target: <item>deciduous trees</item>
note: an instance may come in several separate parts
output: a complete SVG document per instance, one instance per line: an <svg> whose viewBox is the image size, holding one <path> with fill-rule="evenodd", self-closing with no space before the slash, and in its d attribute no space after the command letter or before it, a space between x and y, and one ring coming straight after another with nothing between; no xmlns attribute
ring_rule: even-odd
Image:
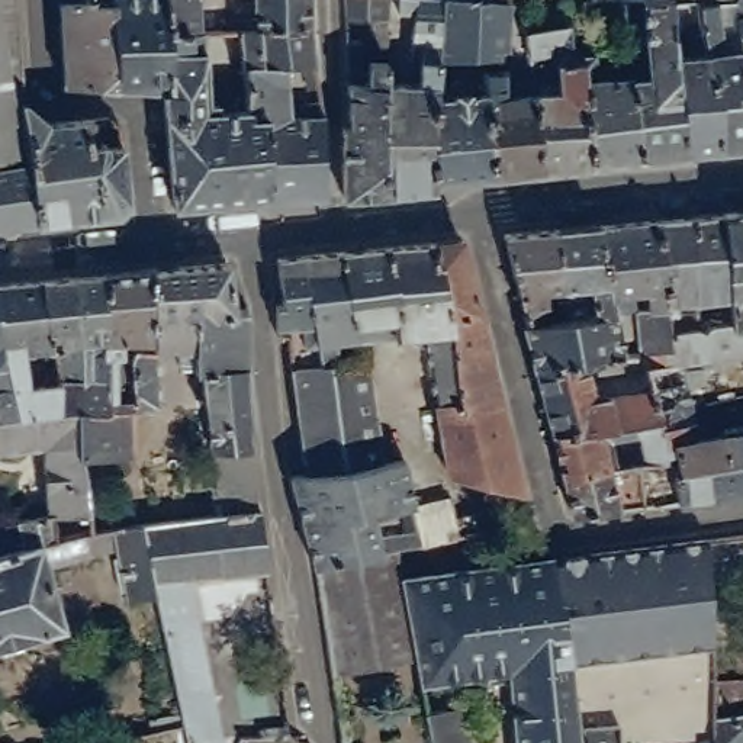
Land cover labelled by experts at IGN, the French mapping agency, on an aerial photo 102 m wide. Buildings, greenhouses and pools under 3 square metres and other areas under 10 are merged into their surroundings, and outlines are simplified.
<svg viewBox="0 0 743 743"><path fill-rule="evenodd" d="M70 639L55 644L52 659L70 679L90 679L96 688L104 691L110 679L122 673L131 662L128 644L134 641L128 621L110 630L84 630L81 636L70 633Z"/></svg>
<svg viewBox="0 0 743 743"><path fill-rule="evenodd" d="M102 702L102 708L67 717L52 728L41 728L41 737L0 737L0 743L142 743L142 737L134 737L128 731L136 717L113 714L110 697Z"/></svg>
<svg viewBox="0 0 743 743"><path fill-rule="evenodd" d="M734 569L723 589L723 598L717 601L720 621L726 624L726 647L743 653L743 569Z"/></svg>
<svg viewBox="0 0 743 743"><path fill-rule="evenodd" d="M572 41L583 38L592 46L592 55L601 61L621 67L639 58L636 26L604 26L604 20L589 20L572 0L563 0L560 12L572 23L566 29Z"/></svg>
<svg viewBox="0 0 743 743"><path fill-rule="evenodd" d="M374 351L369 348L357 348L357 357L345 360L331 372L331 380L351 386L372 377Z"/></svg>
<svg viewBox="0 0 743 743"><path fill-rule="evenodd" d="M212 493L218 488L215 461L212 459L192 467L171 459L171 485L165 493L168 499L183 499L189 493Z"/></svg>
<svg viewBox="0 0 743 743"><path fill-rule="evenodd" d="M534 508L528 502L505 499L505 549L476 554L476 566L482 566L485 572L505 572L508 566L520 563L522 554L546 551L549 531L540 520L534 520Z"/></svg>
<svg viewBox="0 0 743 743"><path fill-rule="evenodd" d="M136 508L136 496L131 493L122 476L110 479L104 490L93 493L96 520L119 522L131 517Z"/></svg>
<svg viewBox="0 0 743 743"><path fill-rule="evenodd" d="M459 699L450 702L450 708L459 717L459 726L464 728L467 743L499 743L505 708L499 705L499 694L479 688L464 691Z"/></svg>
<svg viewBox="0 0 743 743"><path fill-rule="evenodd" d="M238 682L250 694L276 699L279 694L284 694L284 682L290 679L290 659L284 644L255 644L253 639L241 636L232 641L232 665Z"/></svg>

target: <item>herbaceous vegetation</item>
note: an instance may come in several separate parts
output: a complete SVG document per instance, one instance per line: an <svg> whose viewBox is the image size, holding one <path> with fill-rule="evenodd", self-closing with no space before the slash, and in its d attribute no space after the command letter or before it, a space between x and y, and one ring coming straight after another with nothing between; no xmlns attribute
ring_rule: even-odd
<svg viewBox="0 0 743 743"><path fill-rule="evenodd" d="M90 467L93 493L104 490L110 479L122 476L131 493L136 496L136 508L131 517L119 522L96 520L96 531L107 534L119 528L142 528L151 522L209 517L215 502L212 493L189 493L183 499L168 499L165 493L171 485L171 459L192 467L212 459L209 412L197 409L186 418L177 418L171 409L157 406L148 415L131 415L134 456L128 470L122 470L119 464Z"/></svg>
<svg viewBox="0 0 743 743"><path fill-rule="evenodd" d="M717 653L708 659L708 676L717 676L720 682L743 682L743 653L726 647L726 624L720 621L714 627Z"/></svg>
<svg viewBox="0 0 743 743"><path fill-rule="evenodd" d="M412 697L412 685L418 685L418 670L409 673L409 668L398 668L395 673L366 673L357 676L357 682L342 679L334 685L334 694L354 691L360 708L383 708L386 688L401 685L403 694Z"/></svg>
<svg viewBox="0 0 743 743"><path fill-rule="evenodd" d="M180 711L171 714L168 708L163 708L157 714L142 714L142 665L131 662L122 673L110 679L104 691L96 688L90 679L70 679L52 659L55 644L46 650L23 650L9 662L0 659L0 737L41 737L41 728L52 728L67 717L102 708L102 702L110 697L113 714L136 717L128 731L134 737L142 737L142 743L192 743L192 734L183 726Z"/></svg>
<svg viewBox="0 0 743 743"><path fill-rule="evenodd" d="M46 520L46 496L38 490L23 490L17 496L23 522Z"/></svg>
<svg viewBox="0 0 743 743"><path fill-rule="evenodd" d="M134 641L142 641L145 630L154 630L163 621L157 598L148 604L134 604L128 592L119 592L116 578L110 578L107 554L81 554L61 566L49 563L52 589L64 595L70 633L81 636L84 630L110 630L128 621Z"/></svg>

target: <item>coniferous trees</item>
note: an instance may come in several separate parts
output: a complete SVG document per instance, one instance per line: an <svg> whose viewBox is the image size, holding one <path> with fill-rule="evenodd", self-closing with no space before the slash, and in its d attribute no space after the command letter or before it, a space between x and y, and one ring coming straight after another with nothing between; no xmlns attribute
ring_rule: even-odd
<svg viewBox="0 0 743 743"><path fill-rule="evenodd" d="M401 685L386 688L383 708L360 708L354 691L334 694L342 743L432 743L432 694L424 694L418 685L412 685L412 697L403 694Z"/></svg>
<svg viewBox="0 0 743 743"><path fill-rule="evenodd" d="M0 485L0 528L17 531L23 522L17 496L23 490Z"/></svg>

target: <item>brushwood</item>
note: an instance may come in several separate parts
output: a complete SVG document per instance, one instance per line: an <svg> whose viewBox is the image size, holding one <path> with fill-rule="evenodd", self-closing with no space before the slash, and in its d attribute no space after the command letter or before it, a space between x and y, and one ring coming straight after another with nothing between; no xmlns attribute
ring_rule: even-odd
<svg viewBox="0 0 743 743"><path fill-rule="evenodd" d="M157 714L163 708L168 708L171 714L180 711L163 621L154 630L145 630L142 641L134 641L128 644L131 662L142 665L142 714Z"/></svg>

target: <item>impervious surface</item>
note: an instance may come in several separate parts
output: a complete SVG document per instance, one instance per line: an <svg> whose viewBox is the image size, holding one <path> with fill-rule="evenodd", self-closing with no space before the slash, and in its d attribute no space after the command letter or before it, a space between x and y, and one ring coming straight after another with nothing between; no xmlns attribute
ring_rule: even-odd
<svg viewBox="0 0 743 743"><path fill-rule="evenodd" d="M319 575L311 575L311 537L305 537L302 505L293 493L293 479L302 479L308 467L302 464L305 450L299 441L293 372L331 372L345 360L357 357L357 348L342 348L334 357L290 354L290 331L279 328L279 308L284 302L279 287L282 258L366 253L380 247L415 244L459 244L464 255L473 255L502 372L508 380L514 424L531 485L528 502L534 508L534 520L540 520L549 531L546 551L549 560L589 563L612 551L636 554L639 549L679 554L688 551L697 540L717 537L723 549L717 549L714 554L714 583L723 589L734 569L743 569L743 505L734 511L723 511L711 502L708 508L697 508L694 514L676 511L668 517L633 517L630 522L618 520L607 525L595 522L592 508L583 517L578 517L572 505L578 502L578 493L566 490L560 444L578 438L578 427L560 432L549 430L549 421L569 415L575 406L569 395L540 395L540 386L554 383L563 369L560 360L549 360L540 374L534 374L534 351L525 337L528 313L522 311L520 282L508 264L505 235L583 232L615 223L685 221L743 212L743 160L705 163L697 168L694 180L627 180L621 186L601 189L583 189L575 180L563 180L502 189L493 171L485 180L470 183L453 183L438 177L432 180L432 197L427 203L377 209L319 209L313 215L279 221L273 221L258 206L241 206L241 200L235 200L235 215L223 209L223 203L215 203L215 209L206 203L189 206L186 197L174 200L165 194L163 180L171 171L168 131L165 107L157 99L148 99L145 104L139 99L104 102L102 96L81 96L64 90L64 0L23 0L29 6L32 70L26 70L26 81L17 87L17 102L32 107L49 125L93 119L99 131L84 131L84 142L90 148L122 148L122 157L136 171L136 218L119 226L113 244L102 247L90 247L87 238L78 232L29 235L15 241L0 238L0 284L84 279L104 273L116 273L119 279L142 279L148 270L163 273L223 261L226 279L221 284L218 299L238 299L238 311L255 319L255 331L250 334L253 360L247 363L253 456L215 461L218 488L212 493L215 502L209 517L244 517L261 511L264 525L276 517L284 528L293 522L293 528L284 534L293 578L282 575L279 566L273 583L261 580L258 592L244 598L232 615L215 621L206 636L212 685L221 697L221 726L232 737L232 743L342 743L334 694L334 685L325 615L319 601ZM250 694L238 682L232 665L232 641L241 636L253 639L255 644L284 644L290 659L290 679L284 682L284 694L279 694L276 699Z"/></svg>
<svg viewBox="0 0 743 743"><path fill-rule="evenodd" d="M644 467L641 444L621 444L615 447L615 459L621 470Z"/></svg>
<svg viewBox="0 0 743 743"><path fill-rule="evenodd" d="M395 438L401 459L409 467L412 485L421 488L418 502L430 505L444 499L456 508L461 531L459 543L403 554L398 563L398 578L470 572L476 566L476 554L505 549L505 499L479 490L461 490L453 482L453 476L438 464L444 447L432 441L432 430L441 424L441 415L438 398L432 392L435 377L421 377L421 348L403 342L372 342L369 348L374 351L372 377L377 418L386 424L383 435Z"/></svg>
<svg viewBox="0 0 743 743"><path fill-rule="evenodd" d="M731 369L728 363L717 360L705 366L688 366L679 372L688 392L697 392L699 401L691 418L676 421L676 430L688 432L673 438L676 447L694 447L720 438L743 438L743 366Z"/></svg>
<svg viewBox="0 0 743 743"><path fill-rule="evenodd" d="M46 470L44 456L35 456L32 464L0 461L0 485L23 490L38 490L46 496L49 485L58 482L61 473Z"/></svg>
<svg viewBox="0 0 743 743"><path fill-rule="evenodd" d="M369 29L369 23L337 26L334 0L316 0L313 15L305 17L305 23L313 35L313 81L319 87L325 84L325 163L331 165L337 189L342 186L342 131L351 125L348 87L369 84L369 70L357 61L363 52L372 52L377 46L377 38Z"/></svg>
<svg viewBox="0 0 743 743"><path fill-rule="evenodd" d="M607 403L612 398L650 392L650 372L656 369L656 363L641 360L624 374L601 377L595 383L595 398Z"/></svg>
<svg viewBox="0 0 743 743"><path fill-rule="evenodd" d="M618 720L621 743L691 743L699 731L705 731L708 676L708 659L702 653L694 653L583 668L575 676L578 708L589 711L583 717L583 726L598 728L612 726Z"/></svg>
<svg viewBox="0 0 743 743"><path fill-rule="evenodd" d="M528 0L522 17L517 17L520 35L531 38L566 29L572 23L560 12L563 0Z"/></svg>
<svg viewBox="0 0 743 743"><path fill-rule="evenodd" d="M691 0L694 6L688 15L682 15L679 23L685 58L723 58L743 52L743 44L726 35L726 41L720 41L717 46L705 44L705 9L731 0Z"/></svg>
<svg viewBox="0 0 743 743"><path fill-rule="evenodd" d="M241 61L241 35L258 32L253 6L255 0L223 0L221 12L206 15L206 29L212 32L206 44L206 61L215 64L215 104L226 116L238 116L250 107L253 67Z"/></svg>
<svg viewBox="0 0 743 743"><path fill-rule="evenodd" d="M650 78L647 15L656 0L572 0L589 20L604 20L604 26L636 26L639 58L621 67L601 61L592 73L592 81Z"/></svg>
<svg viewBox="0 0 743 743"><path fill-rule="evenodd" d="M508 688L502 688L499 694L499 705L505 708L499 743L514 743L514 720L525 720L525 708L511 702Z"/></svg>
<svg viewBox="0 0 743 743"><path fill-rule="evenodd" d="M551 311L537 319L537 331L580 328L592 325L598 316L595 299L554 299Z"/></svg>
<svg viewBox="0 0 743 743"><path fill-rule="evenodd" d="M731 328L734 308L714 308L702 313L685 313L682 319L676 319L676 334L682 337L708 334L714 328Z"/></svg>

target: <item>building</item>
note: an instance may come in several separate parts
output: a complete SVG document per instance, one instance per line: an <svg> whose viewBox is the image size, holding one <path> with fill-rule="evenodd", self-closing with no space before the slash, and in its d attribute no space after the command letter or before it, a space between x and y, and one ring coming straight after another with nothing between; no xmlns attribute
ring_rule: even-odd
<svg viewBox="0 0 743 743"><path fill-rule="evenodd" d="M369 70L369 84L348 87L351 125L342 131L342 186L337 189L331 165L325 163L325 84L319 87L313 81L313 35L305 23L305 17L313 15L316 0L255 0L253 6L258 32L241 35L241 61L253 67L250 107L238 116L226 116L215 104L215 64L206 61L206 44L212 32L206 29L206 15L221 12L223 0L64 0L64 90L81 96L102 96L104 102L139 99L145 104L148 99L157 99L165 107L168 131L171 171L163 180L165 194L174 200L186 197L189 206L206 203L215 209L215 203L223 203L223 209L235 215L235 200L241 200L241 206L258 206L273 221L279 221L313 215L319 209L377 209L427 203L432 197L432 180L438 177L453 183L470 183L485 180L493 171L502 189L563 180L575 180L583 189L601 189L621 186L627 180L694 180L697 168L705 163L743 160L743 52L723 58L685 58L679 23L682 15L688 15L694 6L691 0L656 0L647 15L650 78L592 81L592 73L601 61L592 55L592 46L583 38L572 41L566 29L531 38L520 35L517 17L522 17L528 0L334 0L337 26L369 23L369 29L377 38L377 46L372 52L363 52L357 61Z"/></svg>
<svg viewBox="0 0 743 743"><path fill-rule="evenodd" d="M717 676L708 676L705 731L699 731L691 743L743 743L743 682L720 682Z"/></svg>
<svg viewBox="0 0 743 743"><path fill-rule="evenodd" d="M58 482L49 485L46 496L46 520L23 522L17 531L0 528L0 659L9 662L23 650L46 650L55 644L70 639L70 633L64 595L52 589L49 563L61 566L81 554L107 554L110 578L116 578L119 592L128 592L134 604L148 604L157 598L163 621L180 711L183 726L192 734L192 743L232 743L232 737L221 726L221 697L212 685L206 636L215 621L232 615L244 598L258 592L261 580L273 583L279 566L282 575L293 578L284 534L293 528L293 522L284 528L276 517L264 525L261 511L244 517L209 517L151 522L142 528L119 528L107 534L96 531L96 520L93 493L90 467L119 464L122 470L128 470L134 456L131 415L148 415L157 406L171 409L177 418L186 418L197 409L209 412L212 459L215 461L253 456L247 363L253 360L250 334L255 331L255 319L238 311L238 299L218 299L221 284L226 279L223 261L163 273L148 270L142 279L119 279L116 273L104 273L84 279L0 284L0 461L32 464L35 456L44 456L46 470L61 473Z"/></svg>
<svg viewBox="0 0 743 743"><path fill-rule="evenodd" d="M453 476L453 482L461 490L479 490L505 499L528 502L531 485L514 424L508 380L502 372L473 255L464 255L459 244L415 244L380 247L366 253L282 258L279 287L284 302L279 308L279 328L290 331L290 354L334 357L342 348L357 348L369 348L372 342L403 342L421 348L421 377L435 377L432 392L438 398L441 415L441 424L432 430L432 441L444 447L438 464Z"/></svg>
<svg viewBox="0 0 743 743"><path fill-rule="evenodd" d="M90 247L102 247L113 244L119 226L136 218L136 171L122 157L122 148L90 148L84 142L84 131L99 131L93 119L49 125L32 107L17 102L17 87L26 81L26 70L32 70L29 6L23 0L0 0L0 238L15 241L29 235L78 232L87 238Z"/></svg>
<svg viewBox="0 0 743 743"><path fill-rule="evenodd" d="M731 0L705 9L705 44L717 46L720 41L726 41L726 35L743 44L743 0Z"/></svg>
<svg viewBox="0 0 743 743"><path fill-rule="evenodd" d="M305 537L311 537L311 575L319 575L319 601L325 615L334 685L342 679L357 682L357 676L366 673L395 673L398 668L409 668L409 673L418 670L418 685L424 694L432 694L432 743L467 743L464 728L459 726L459 717L450 708L450 702L459 699L464 691L479 688L499 694L502 688L508 688L511 702L525 708L525 720L514 720L514 743L621 743L618 720L612 726L598 728L583 726L583 717L589 711L578 708L575 676L583 668L694 653L702 653L708 659L717 653L714 627L720 621L717 601L723 598L723 589L714 583L714 554L717 549L723 549L717 537L697 540L688 551L679 554L639 549L636 554L612 551L589 563L549 560L546 551L522 554L520 563L508 566L505 572L485 572L482 566L476 566L470 572L398 578L398 563L403 554L459 543L461 531L456 508L444 499L430 505L418 502L421 488L412 485L409 467L401 459L395 438L383 435L386 424L377 418L372 377L351 386L331 380L331 372L293 372L299 441L305 450L302 464L308 467L302 479L293 479L293 493L302 505Z"/></svg>
<svg viewBox="0 0 743 743"><path fill-rule="evenodd" d="M560 432L578 427L578 438L560 444L566 490L578 493L578 502L572 505L578 517L583 517L592 508L595 522L607 525L618 520L630 522L633 517L668 517L676 511L694 514L697 508L708 508L711 502L723 511L734 511L743 505L743 438L720 438L694 447L676 447L673 438L688 432L676 430L676 421L691 418L699 401L697 392L688 392L679 372L688 366L705 366L717 360L728 363L731 369L743 366L743 212L685 221L615 223L583 232L505 235L508 264L520 282L522 311L528 313L525 337L534 351L534 374L540 374L549 360L560 360L563 369L554 383L540 386L540 395L569 395L575 406L569 415L549 421L549 430ZM537 331L537 319L551 311L554 299L595 299L598 316L592 325L580 328ZM714 308L734 308L731 328L714 328L708 334L682 337L676 334L676 319L682 319L685 313L702 313ZM612 398L607 403L595 398L595 383L601 377L624 374L641 360L656 363L656 369L650 372L650 392ZM615 447L621 444L641 444L644 467L621 470L615 459Z"/></svg>

